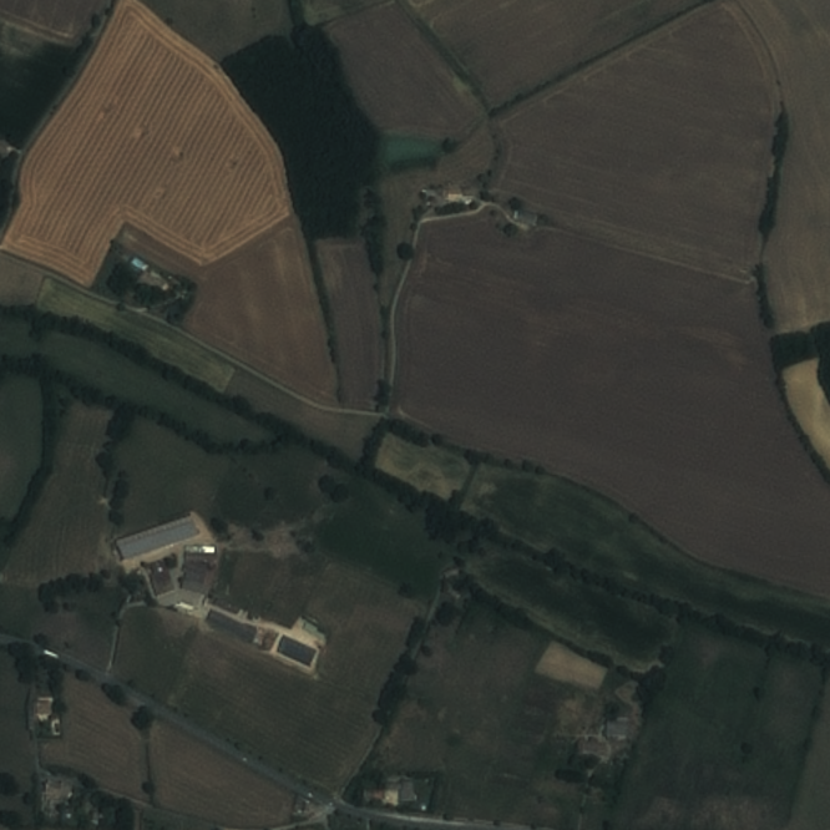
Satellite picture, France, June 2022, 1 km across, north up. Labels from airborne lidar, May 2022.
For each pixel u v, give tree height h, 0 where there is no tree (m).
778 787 0
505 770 0
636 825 0
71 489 0
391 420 10
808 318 0
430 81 0
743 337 0
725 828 0
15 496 0
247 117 0
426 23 0
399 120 0
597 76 0
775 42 0
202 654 0
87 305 0
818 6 0
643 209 0
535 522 0
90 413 0
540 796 0
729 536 0
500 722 0
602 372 0
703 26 0
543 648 0
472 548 17
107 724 0
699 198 0
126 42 0
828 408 0
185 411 0
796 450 0
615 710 9
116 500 11
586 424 0
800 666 0
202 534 0
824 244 0
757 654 0
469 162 0
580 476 0
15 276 0
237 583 0
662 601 14
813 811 0
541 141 0
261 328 0
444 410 0
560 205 0
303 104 25
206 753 0
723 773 0
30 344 0
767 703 0
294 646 0
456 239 0
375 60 0
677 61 0
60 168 0
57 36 0
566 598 0
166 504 0
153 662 0
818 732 0
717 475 0
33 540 0
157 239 0
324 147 24
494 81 0
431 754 0
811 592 0
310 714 0
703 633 0
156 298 18
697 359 0
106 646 0
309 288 0
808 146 0
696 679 0
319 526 0
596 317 0
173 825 0
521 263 0
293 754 0
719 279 0
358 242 0
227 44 0
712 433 0
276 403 0
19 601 0
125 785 0
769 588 0
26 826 6
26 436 0
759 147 0
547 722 0
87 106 0
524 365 0
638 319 0
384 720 19
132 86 0
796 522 0
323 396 0
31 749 0
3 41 0
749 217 0
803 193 0
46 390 10
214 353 0
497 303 0
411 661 17
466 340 0
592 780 11
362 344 0
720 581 0
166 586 0
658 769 0
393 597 0
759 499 0
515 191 0
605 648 0
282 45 23
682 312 0
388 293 0
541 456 0
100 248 0
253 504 0
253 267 0
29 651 17
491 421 0
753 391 0
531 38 0
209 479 0
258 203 0
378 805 12
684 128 0
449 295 0
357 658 0
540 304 0
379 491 0
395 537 0
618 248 0
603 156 0
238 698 0
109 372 0
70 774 7
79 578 16
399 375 0
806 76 0
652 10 0
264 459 0
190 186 0
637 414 0
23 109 0
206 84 0
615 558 0
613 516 0
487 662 0
